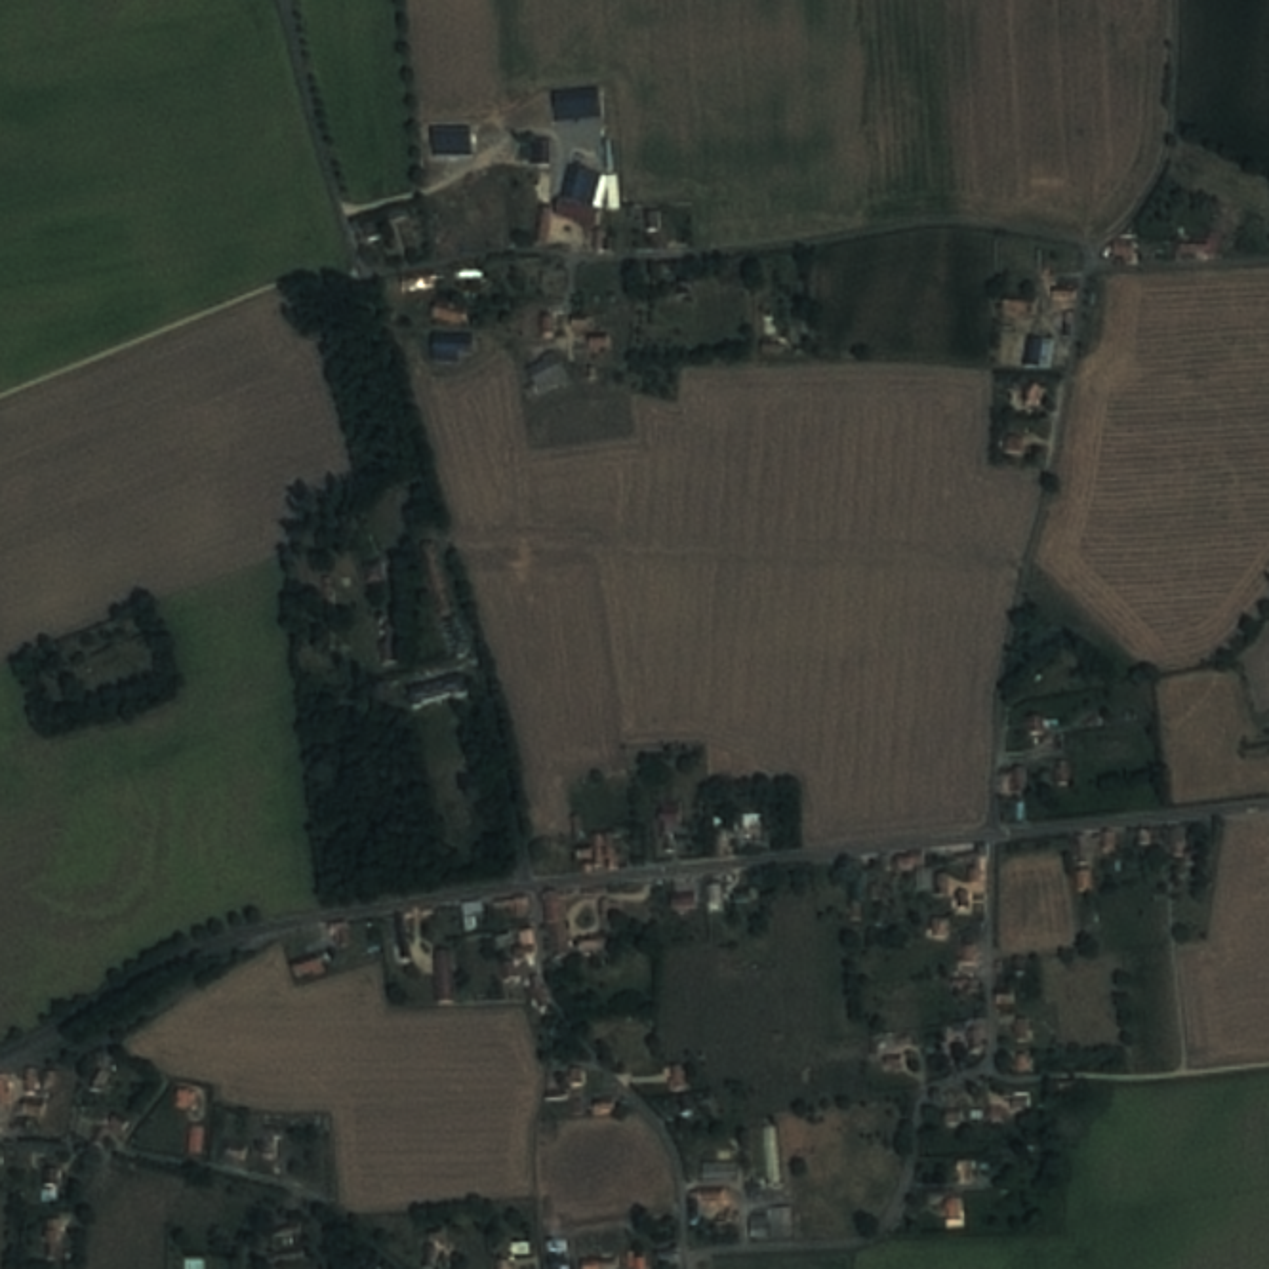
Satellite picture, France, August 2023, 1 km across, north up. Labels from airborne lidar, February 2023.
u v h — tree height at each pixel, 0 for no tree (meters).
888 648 0
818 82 0
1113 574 0
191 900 0
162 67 0
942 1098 14
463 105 0
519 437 0
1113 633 0
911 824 0
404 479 19
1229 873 0
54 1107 0
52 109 0
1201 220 0
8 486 0
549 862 0
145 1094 10
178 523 0
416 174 11
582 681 0
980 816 0
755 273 15
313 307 18
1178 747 0
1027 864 0
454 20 0
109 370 0
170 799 0
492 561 0
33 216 0
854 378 0
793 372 0
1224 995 0
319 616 19
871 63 0
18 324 0
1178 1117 0
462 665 0
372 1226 0
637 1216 0
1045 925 0
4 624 0
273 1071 0
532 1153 0
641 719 0
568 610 0
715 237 0
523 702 0
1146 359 0
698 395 0
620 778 0
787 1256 0
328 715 15
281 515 0
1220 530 0
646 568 0
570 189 0
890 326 0
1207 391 0
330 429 0
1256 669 0
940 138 0
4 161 0
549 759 0
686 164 0
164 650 19
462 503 0
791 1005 0
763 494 0
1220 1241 0
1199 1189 0
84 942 0
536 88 0
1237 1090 0
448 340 0
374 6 0
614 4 0
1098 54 0
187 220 0
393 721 13
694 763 11
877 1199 0
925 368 0
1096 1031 0
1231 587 0
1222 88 0
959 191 0
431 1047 0
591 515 0
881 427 0
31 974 0
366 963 0
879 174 0
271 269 0
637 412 0
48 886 0
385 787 19
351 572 0
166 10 0
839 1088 0
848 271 0
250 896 0
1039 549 0
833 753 0
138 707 14
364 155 0
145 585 0
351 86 0
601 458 0
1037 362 0
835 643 0
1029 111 0
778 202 0
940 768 0
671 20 0
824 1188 0
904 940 12
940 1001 0
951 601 0
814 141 0
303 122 0
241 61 0
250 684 0
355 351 21
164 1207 0
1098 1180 0
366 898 16
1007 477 0
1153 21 0
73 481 0
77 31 0
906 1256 0
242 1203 0
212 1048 0
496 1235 13
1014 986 7
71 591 0
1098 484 0
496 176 0
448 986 0
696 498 0
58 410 0
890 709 0
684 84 0
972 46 0
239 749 0
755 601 0
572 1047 9
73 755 0
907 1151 12
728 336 0
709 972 0
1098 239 0
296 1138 11
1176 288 0
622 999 6
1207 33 0
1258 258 0
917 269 0
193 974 11
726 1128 9
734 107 0
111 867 0
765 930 11
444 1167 0
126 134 0
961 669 0
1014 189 0
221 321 0
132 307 0
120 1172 0
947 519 0
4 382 0
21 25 0
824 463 0
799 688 0
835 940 0
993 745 0
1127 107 0
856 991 12
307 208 0
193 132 0
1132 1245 0
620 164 0
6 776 0
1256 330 0
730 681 0
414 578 17
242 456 0
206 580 0
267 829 0
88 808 0
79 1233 9
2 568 0
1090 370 0
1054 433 0
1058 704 0
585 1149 0
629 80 0
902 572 0
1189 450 0
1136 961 0
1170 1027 0
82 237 0
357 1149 0
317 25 0
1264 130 0
